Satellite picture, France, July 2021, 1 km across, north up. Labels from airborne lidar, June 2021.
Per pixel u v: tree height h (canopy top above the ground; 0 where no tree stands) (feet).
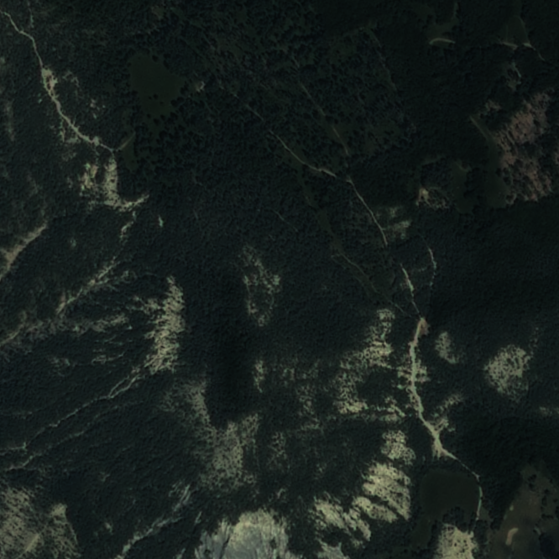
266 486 24
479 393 39
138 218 23
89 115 20
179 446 20
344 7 75
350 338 31
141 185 42
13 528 0
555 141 46
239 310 43
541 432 55
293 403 21
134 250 24
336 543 20
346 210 33
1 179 23
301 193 64
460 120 68
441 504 0
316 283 29
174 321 0
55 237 20
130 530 18
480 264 58
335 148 38
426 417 22
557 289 83
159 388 23
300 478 20
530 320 19
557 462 50
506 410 43
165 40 75
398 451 0
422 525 0
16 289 25
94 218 30
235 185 55
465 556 0
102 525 23
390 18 82
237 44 21
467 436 35
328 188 70
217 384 31
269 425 23
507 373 0
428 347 27
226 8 93
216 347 29
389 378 22
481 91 55
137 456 23
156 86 0
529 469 0
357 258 19
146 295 20
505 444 64
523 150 55
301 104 81
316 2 76
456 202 21
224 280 30
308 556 18
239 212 43
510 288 62
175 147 66
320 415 22
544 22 49
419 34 57
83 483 34
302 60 62
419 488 20
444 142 45
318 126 65
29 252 19
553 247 51
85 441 21
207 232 22
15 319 19
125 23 43
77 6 32
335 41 83
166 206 33
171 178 75
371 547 34
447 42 0
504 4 89
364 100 70
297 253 44
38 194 17
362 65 95
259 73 82
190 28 73
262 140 89
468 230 49
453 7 51
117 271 18
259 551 0
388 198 28
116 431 23
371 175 58
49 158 20
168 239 30
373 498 20
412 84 76
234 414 30
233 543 0
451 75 65
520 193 35
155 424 21
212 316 46
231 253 28
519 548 0
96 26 22
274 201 53
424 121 71
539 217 48
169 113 0
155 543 21
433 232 54
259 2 61
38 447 21
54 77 0
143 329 21
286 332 20
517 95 54
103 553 24
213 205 38
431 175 65
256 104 76
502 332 45
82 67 24
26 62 29
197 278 41
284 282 24
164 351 0
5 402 24
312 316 31
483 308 63
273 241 34
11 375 26
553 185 41
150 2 58
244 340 24
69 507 24
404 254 44
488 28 76
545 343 30
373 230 35
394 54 74
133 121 61
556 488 0
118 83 56
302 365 18
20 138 22
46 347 22
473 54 58
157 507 25
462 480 0
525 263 54
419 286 20
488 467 35
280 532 0
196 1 34
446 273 45
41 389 22
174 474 19
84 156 21
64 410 18
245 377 37
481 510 0
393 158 50
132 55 66
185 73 65
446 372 22
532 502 0
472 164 40
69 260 20
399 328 18
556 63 51
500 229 53
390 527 24
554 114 49
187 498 0
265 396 27
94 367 21
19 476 24
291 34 66
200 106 66
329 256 38
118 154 28
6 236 26
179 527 25
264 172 47
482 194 47
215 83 94
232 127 80
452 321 35
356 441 18
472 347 29
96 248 20
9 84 24
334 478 31
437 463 24
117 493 20
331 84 53
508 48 47
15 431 21
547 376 23
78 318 19
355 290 44
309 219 62
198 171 61
